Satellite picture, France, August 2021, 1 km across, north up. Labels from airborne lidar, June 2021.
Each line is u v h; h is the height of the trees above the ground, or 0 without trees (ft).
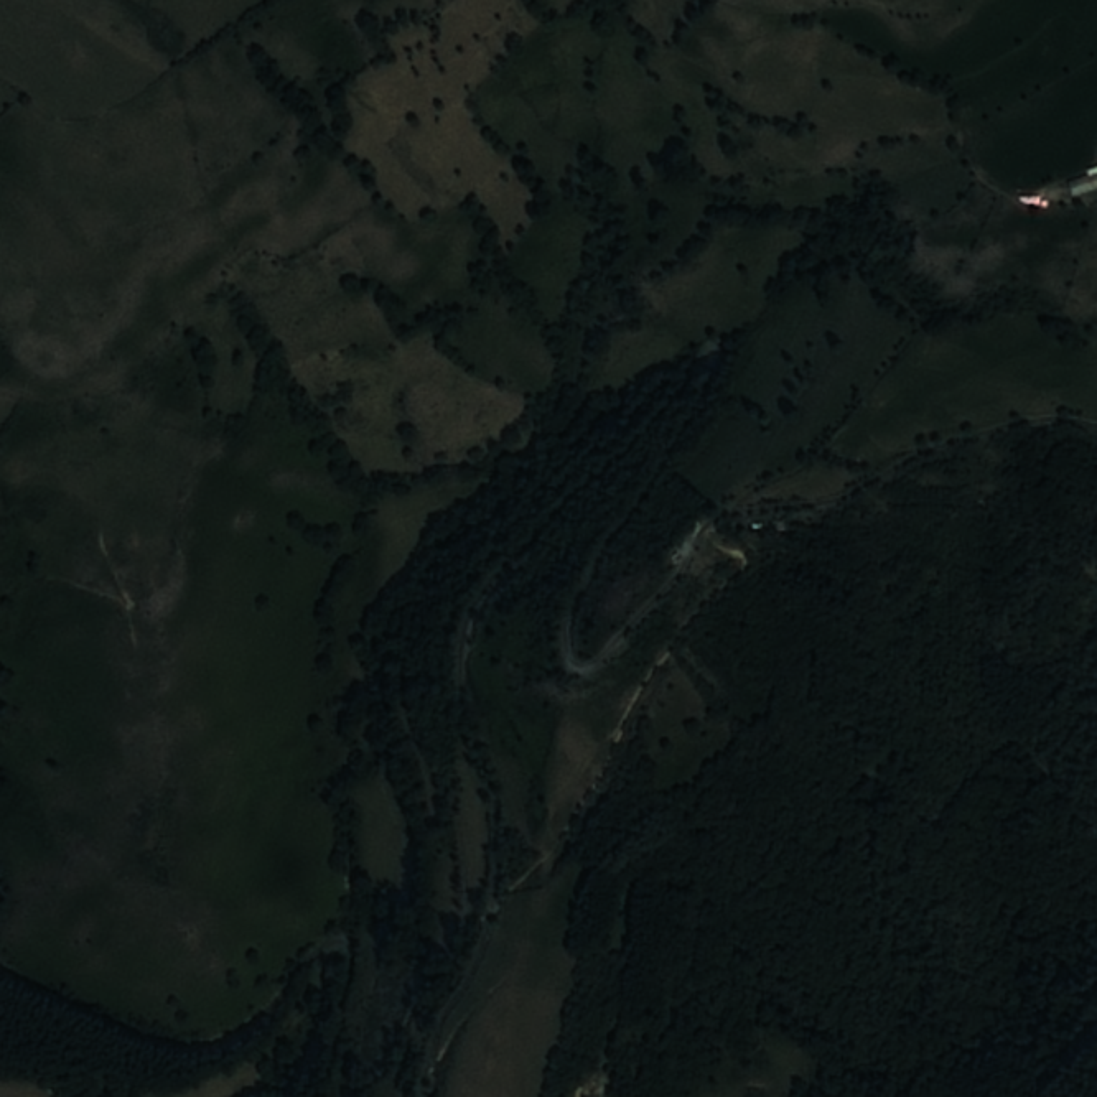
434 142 0
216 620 0
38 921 0
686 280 0
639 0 0
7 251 0
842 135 0
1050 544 62
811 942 73
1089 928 99
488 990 0
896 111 0
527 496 85
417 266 0
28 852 0
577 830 35
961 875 41
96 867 0
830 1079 61
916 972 89
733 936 86
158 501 0
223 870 0
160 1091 76
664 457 59
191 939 0
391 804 0
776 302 39
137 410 0
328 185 0
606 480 75
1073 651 55
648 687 23
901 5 0
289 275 0
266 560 0
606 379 0
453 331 71
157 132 0
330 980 49
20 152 0
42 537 0
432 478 63
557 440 68
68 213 0
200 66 0
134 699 0
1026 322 0
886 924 66
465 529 57
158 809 0
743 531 34
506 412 0
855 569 22
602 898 64
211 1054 91
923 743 53
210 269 0
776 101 0
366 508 28
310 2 0
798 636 72
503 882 32
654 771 58
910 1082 89
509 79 0
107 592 0
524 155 27
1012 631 42
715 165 0
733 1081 0
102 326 0
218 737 0
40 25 0
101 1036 114
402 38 0
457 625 41
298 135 20
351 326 0
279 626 0
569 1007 34
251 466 0
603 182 80
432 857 58
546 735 0
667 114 0
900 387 0
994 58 0
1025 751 53
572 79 0
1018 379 0
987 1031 51
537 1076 0
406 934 81
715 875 73
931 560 64
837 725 54
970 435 45
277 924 0
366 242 0
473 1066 0
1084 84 0
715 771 64
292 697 0
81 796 0
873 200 78
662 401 79
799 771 58
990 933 51
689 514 32
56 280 0
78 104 0
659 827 100
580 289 73
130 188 0
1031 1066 68
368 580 0
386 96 0
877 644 53
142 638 0
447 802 49
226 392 0
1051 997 98
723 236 0
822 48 0
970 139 0
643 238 0
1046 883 54
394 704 53
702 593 19
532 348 0
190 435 0
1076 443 27
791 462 0
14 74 0
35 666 0
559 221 0
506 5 0
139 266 0
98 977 0
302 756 0
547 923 0
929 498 39
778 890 69
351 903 54
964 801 81
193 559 0
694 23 41
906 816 78
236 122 0
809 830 86
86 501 0
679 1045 74
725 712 44
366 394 0
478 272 45
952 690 52
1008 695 91
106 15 0
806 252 51
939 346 0
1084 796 52
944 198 0
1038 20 0
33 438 0
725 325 0
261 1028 76
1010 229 0
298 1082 81
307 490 0
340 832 24
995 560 73
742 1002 63
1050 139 0
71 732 0
